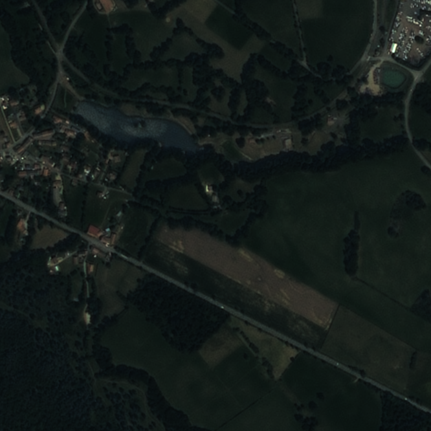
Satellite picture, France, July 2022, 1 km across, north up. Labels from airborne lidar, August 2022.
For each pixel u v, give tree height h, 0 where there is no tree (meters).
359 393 0
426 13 8
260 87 23
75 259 0
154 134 0
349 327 0
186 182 21
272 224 0
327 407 0
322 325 0
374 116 19
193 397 0
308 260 0
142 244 0
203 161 20
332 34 0
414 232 0
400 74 0
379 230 0
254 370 0
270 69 17
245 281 0
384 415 12
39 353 7
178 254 0
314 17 0
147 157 16
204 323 8
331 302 0
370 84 0
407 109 0
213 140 0
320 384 0
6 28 20
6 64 0
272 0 0
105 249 0
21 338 16
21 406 10
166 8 18
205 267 0
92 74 19
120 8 0
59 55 0
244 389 0
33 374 18
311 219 0
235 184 0
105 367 18
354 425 0
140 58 13
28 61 21
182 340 6
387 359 0
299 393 0
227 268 0
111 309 0
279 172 22
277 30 0
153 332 0
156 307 20
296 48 0
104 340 0
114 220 14
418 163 0
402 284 0
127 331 0
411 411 18
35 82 17
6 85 0
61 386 15
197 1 0
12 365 19
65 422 19
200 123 0
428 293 18
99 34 0
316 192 0
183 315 20
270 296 0
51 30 13
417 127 0
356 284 0
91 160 0
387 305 0
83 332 0
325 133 0
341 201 0
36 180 8
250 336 0
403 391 0
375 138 0
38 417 8
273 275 0
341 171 0
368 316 0
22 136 0
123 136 0
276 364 0
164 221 15
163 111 19
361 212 0
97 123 0
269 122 0
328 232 0
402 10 0
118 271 0
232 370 0
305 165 16
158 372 0
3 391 19
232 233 0
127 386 0
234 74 0
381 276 0
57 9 24
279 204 0
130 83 0
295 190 0
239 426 0
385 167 0
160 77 0
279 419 0
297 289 0
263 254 0
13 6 13
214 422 0
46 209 12
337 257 0
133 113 0
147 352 0
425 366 0
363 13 0
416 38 11
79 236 16
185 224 22
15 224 12
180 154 25
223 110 0
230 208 8
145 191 8
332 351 0
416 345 0
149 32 0
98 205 0
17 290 10
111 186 6
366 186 0
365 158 17
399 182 0
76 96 0
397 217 0
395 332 0
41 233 0
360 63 0
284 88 0
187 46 0
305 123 22
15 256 26
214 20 0
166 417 25
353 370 14
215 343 0
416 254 0
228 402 0
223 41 0
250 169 27
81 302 19
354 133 27
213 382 0
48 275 12
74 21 0
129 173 0
